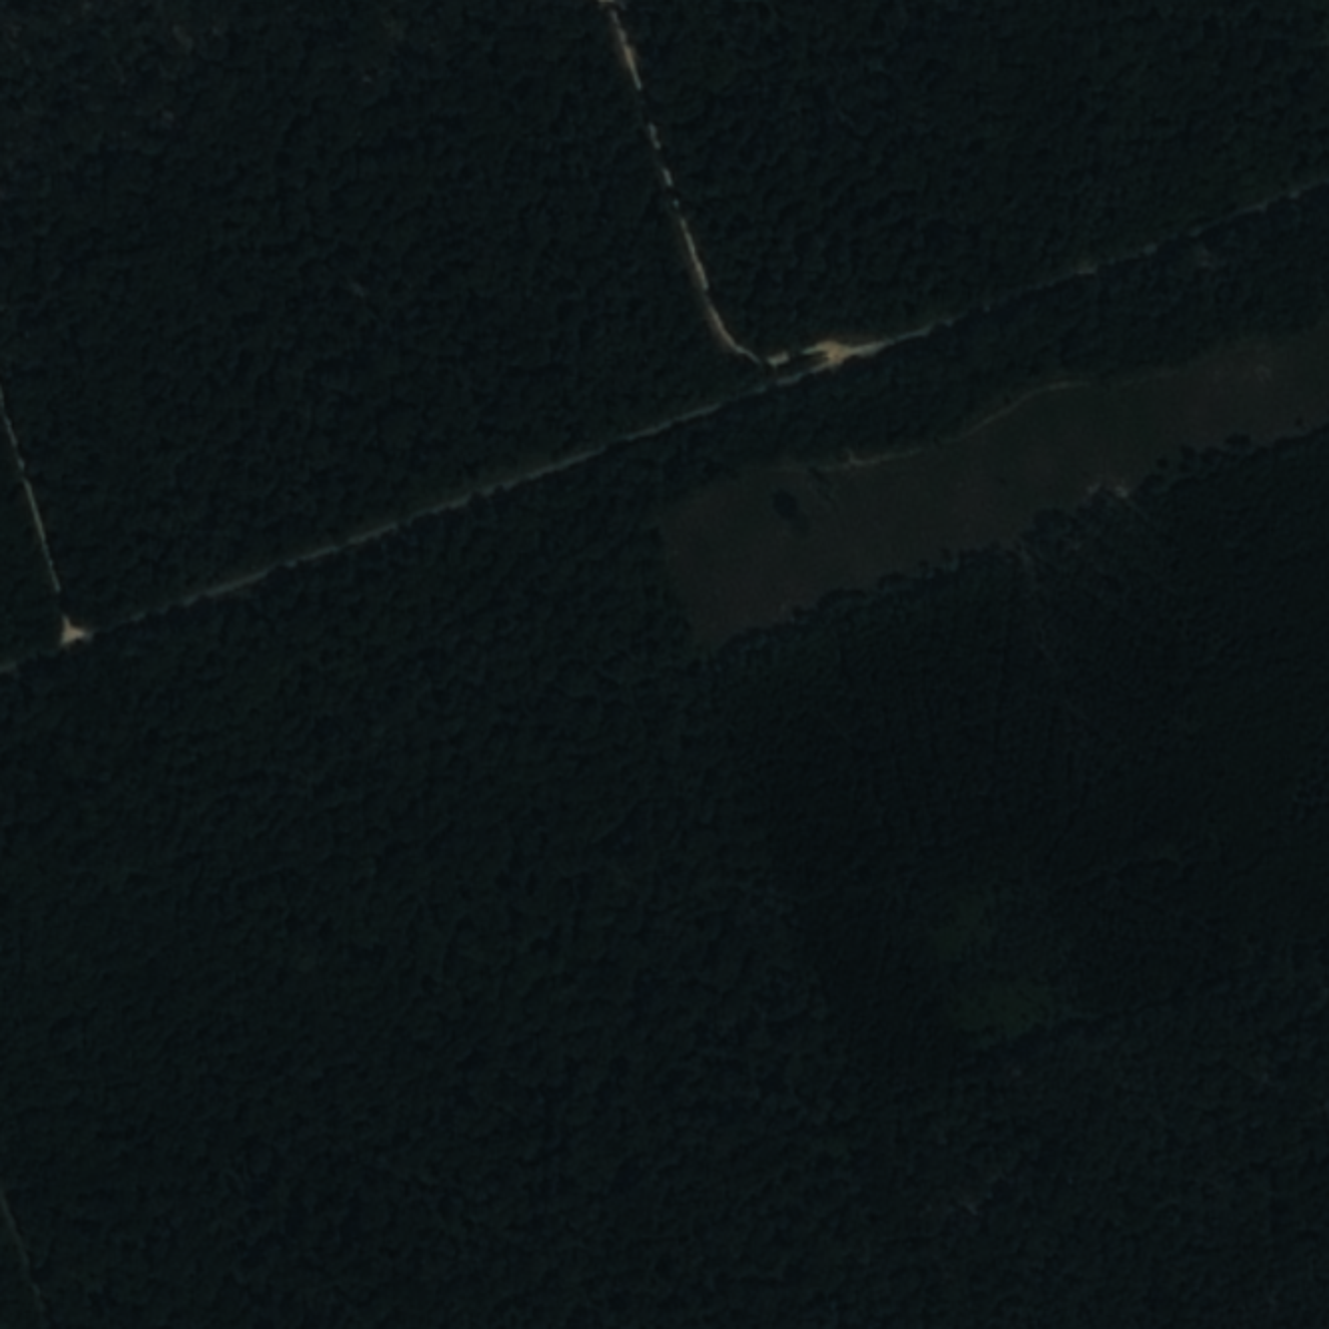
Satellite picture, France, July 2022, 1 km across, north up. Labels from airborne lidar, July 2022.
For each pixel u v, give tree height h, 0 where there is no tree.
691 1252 20
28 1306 18
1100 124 25
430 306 25
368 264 15
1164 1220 24
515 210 23
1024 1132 27
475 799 25
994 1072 19
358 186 26
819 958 14
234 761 23
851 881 13
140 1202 29
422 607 19
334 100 24
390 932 28
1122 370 26
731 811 26
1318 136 23
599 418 28
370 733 24
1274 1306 23
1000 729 19
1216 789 12
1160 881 13
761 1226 25
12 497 19
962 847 19
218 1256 28
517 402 28
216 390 27
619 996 27
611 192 28
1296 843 12
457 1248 21
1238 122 17
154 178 21
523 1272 25
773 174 21
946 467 0
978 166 21
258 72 25
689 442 8
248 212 25
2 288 26
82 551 17
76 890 20
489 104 29
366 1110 24
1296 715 12
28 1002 21
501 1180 26
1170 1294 27
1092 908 17
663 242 26
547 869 31
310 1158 30
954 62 30
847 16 24
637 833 29
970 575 19
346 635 25
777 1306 22
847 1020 17
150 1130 20
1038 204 23
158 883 18
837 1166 20
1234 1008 27
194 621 26
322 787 23
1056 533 18
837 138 26
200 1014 15
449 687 22
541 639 17
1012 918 12
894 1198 25
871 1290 20
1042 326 24
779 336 17
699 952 25
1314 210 20
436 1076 25
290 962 24
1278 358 0
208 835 17
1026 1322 21
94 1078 26
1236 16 24
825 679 21
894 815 19
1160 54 29
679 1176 25
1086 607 20
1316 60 26
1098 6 20
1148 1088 17
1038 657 19
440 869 26
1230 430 0
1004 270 22
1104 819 18
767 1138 27
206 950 21
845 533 0
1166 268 20
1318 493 10
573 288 28
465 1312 19
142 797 21
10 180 25
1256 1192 26
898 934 12
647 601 13
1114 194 23
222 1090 23
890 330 19
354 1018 26
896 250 19
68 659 23
